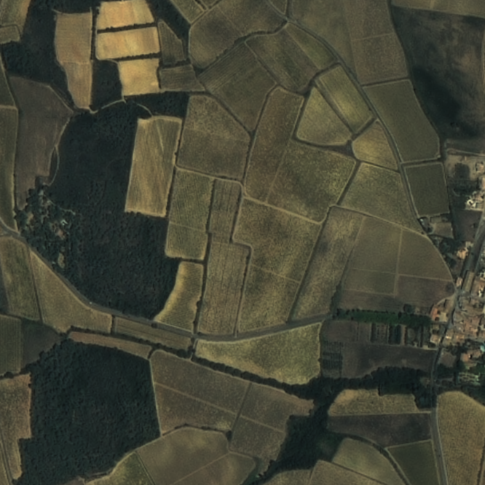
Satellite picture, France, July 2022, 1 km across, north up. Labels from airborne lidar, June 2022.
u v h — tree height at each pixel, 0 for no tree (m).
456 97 0
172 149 0
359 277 0
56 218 13
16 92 0
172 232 0
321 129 0
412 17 0
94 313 0
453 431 0
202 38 0
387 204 0
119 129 8
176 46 0
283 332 0
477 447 0
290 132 0
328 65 0
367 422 0
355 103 0
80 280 14
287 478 0
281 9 0
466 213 0
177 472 0
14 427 0
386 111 0
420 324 21
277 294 0
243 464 0
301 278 0
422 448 0
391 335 9
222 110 0
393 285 0
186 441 0
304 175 0
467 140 0
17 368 0
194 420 0
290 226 0
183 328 0
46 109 0
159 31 0
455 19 0
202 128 0
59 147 0
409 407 0
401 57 0
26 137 0
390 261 0
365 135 0
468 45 0
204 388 0
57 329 0
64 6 7
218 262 0
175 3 0
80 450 11
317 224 0
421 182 0
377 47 0
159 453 0
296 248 0
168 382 0
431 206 0
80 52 0
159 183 0
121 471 0
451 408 0
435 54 0
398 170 0
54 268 11
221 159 0
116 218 5
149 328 0
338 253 0
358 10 0
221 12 0
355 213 0
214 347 0
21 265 0
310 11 0
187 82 0
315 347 0
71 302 0
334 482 0
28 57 10
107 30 8
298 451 7
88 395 6
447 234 0
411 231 0
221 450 0
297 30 0
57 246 11
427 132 0
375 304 0
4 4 0
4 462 0
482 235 0
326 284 0
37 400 10
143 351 0
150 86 0
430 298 0
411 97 0
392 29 0
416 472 0
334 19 0
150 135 0
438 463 0
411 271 0
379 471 0
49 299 0
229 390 0
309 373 0
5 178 0
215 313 0
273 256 0
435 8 0
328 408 9
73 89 0
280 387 8
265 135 0
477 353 0
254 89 0
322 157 0
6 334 0
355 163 0
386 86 0
